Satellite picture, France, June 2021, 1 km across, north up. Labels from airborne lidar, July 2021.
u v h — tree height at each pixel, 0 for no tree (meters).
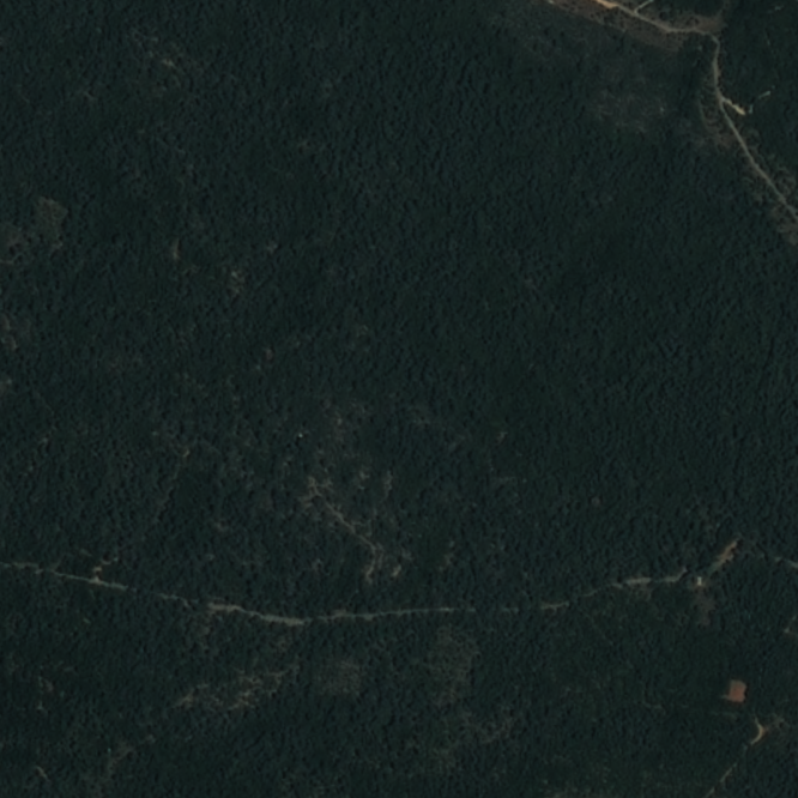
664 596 5
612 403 16
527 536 12
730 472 6
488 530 15
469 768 14
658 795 6
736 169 8
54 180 7
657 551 14
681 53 6
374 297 7
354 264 13
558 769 6
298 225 13
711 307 16
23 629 13
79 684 9
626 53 12
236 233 9
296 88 18
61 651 9
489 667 7
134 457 16
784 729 7
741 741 7
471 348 6
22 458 10
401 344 15
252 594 18
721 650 6
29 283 13
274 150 8
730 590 13
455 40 14
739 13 10
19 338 16
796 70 9
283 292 7
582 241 9
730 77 8
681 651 8
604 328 9
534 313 6
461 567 14
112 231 8
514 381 9
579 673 6
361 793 9
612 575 17
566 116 16
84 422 9
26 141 14
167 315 15
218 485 19
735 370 15
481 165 17
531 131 13
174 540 7
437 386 17
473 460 16
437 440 13
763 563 10
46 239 16
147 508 16
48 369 8
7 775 8
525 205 16
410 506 16
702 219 8
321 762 6
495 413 9
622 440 14
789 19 8
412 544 14
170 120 11
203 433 14
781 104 8
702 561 12
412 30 11
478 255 15
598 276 11
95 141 12
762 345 11
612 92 8
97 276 10
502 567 13
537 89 14
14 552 6
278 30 7
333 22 7
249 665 6
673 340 19
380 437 13
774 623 10
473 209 15
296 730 9
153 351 17
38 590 10
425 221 6
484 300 10
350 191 12
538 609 11
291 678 12
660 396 10
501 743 14
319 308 8
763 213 18
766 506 17
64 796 16
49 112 14
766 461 17
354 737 13
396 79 8
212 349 7
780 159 8
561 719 6
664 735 7
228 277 7
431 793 12
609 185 9
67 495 14
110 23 14
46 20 16
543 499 12
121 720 7
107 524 15
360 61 6
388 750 10
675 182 13
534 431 15
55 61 7
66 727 7
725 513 11
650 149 8
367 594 16
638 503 9
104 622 7
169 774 6
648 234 15
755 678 11
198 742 7
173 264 11
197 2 9
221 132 10
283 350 7
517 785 9
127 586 9
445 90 16
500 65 8
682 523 7
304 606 14
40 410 9
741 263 16
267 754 18
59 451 9
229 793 8
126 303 7
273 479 7
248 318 12
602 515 8
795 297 10
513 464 7
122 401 6
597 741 7
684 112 7
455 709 18
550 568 17
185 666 11
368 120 7
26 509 16
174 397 8
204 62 10
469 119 15
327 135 14
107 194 13
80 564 12
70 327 8
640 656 7
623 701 5
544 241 7
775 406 10
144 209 10
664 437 11
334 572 14
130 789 6
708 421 17
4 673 11
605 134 7
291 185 6
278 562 6
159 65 13
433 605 15
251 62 15
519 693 7
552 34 14
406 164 18
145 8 11
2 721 8
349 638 14
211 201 19
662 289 8
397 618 15
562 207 7
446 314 10
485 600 9
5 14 11
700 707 7
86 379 8
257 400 11
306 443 16
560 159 8
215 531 17
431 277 11
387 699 16
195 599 7
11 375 16
